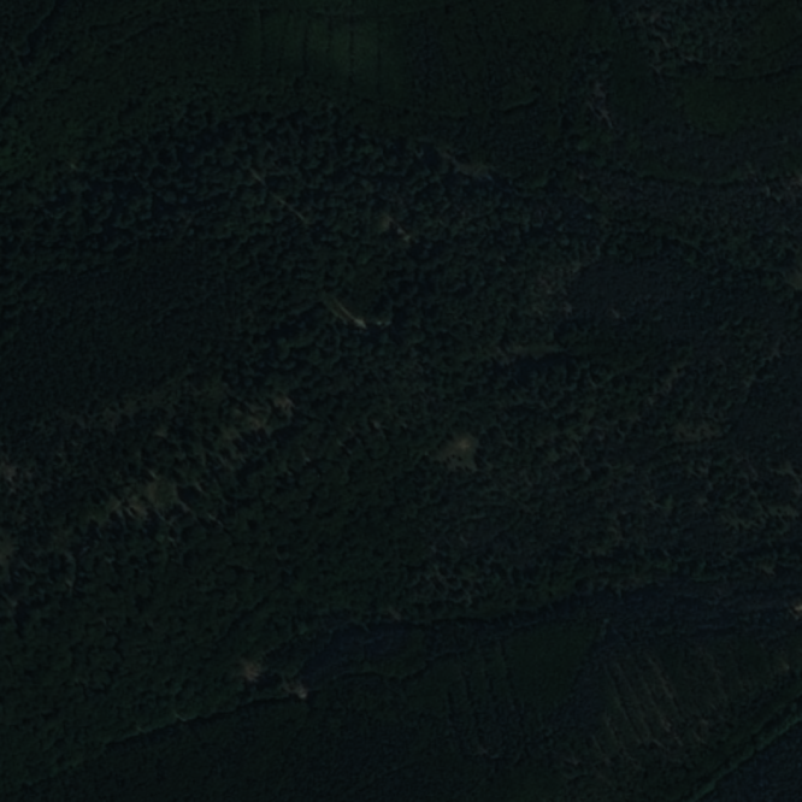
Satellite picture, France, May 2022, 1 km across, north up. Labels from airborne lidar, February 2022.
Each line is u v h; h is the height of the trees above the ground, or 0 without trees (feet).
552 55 57
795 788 44
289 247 93
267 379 125
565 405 75
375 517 92
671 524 32
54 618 100
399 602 66
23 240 38
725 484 42
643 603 96
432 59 73
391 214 94
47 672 97
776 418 42
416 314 100
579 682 84
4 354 39
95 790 78
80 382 43
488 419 64
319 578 95
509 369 32
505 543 50
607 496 40
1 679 103
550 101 66
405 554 53
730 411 33
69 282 66
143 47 75
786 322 46
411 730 66
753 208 87
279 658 51
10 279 104
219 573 105
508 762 56
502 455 63
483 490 61
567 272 108
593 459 38
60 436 42
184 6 64
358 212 104
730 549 36
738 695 54
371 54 0
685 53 63
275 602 94
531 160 71
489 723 64
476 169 0
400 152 109
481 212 90
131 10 73
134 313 49
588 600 85
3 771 95
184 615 98
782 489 40
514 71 54
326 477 93
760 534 31
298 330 111
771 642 77
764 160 54
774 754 76
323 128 118
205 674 103
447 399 103
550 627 63
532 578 93
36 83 78
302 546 77
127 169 75
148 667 87
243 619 102
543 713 47
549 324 36
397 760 63
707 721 60
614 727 0
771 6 50
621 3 88
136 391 40
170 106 88
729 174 41
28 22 74
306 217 123
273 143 124
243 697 50
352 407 91
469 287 94
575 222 111
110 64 86
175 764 59
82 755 64
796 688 65
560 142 95
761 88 45
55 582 106
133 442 36
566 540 36
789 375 39
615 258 42
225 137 119
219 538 110
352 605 91
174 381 29
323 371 119
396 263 118
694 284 47
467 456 0
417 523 41
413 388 84
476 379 116
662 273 46
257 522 105
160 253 36
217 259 33
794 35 37
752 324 58
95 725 83
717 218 88
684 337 55
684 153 52
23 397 42
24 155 80
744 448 40
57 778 58
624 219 42
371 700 64
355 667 85
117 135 99
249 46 0
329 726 53
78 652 92
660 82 67
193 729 61
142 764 63
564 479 40
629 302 40
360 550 96
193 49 77
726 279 45
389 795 72
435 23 66
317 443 105
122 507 0
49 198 99
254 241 112
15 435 43
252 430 0
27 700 108
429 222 90
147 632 94
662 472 40
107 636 98
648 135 55
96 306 39
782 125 52
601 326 47
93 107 83
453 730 54
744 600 97
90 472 49
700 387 38
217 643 98
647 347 51
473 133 66
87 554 110
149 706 86
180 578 105
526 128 77
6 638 106
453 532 38
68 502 56
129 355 36
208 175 115
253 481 104
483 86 60
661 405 35
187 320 36
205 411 48
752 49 57
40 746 90
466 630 52
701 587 92
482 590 58
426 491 32
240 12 70
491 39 65
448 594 39
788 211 91
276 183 109
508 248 97
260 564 103
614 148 48
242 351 44
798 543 49
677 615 91
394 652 88
